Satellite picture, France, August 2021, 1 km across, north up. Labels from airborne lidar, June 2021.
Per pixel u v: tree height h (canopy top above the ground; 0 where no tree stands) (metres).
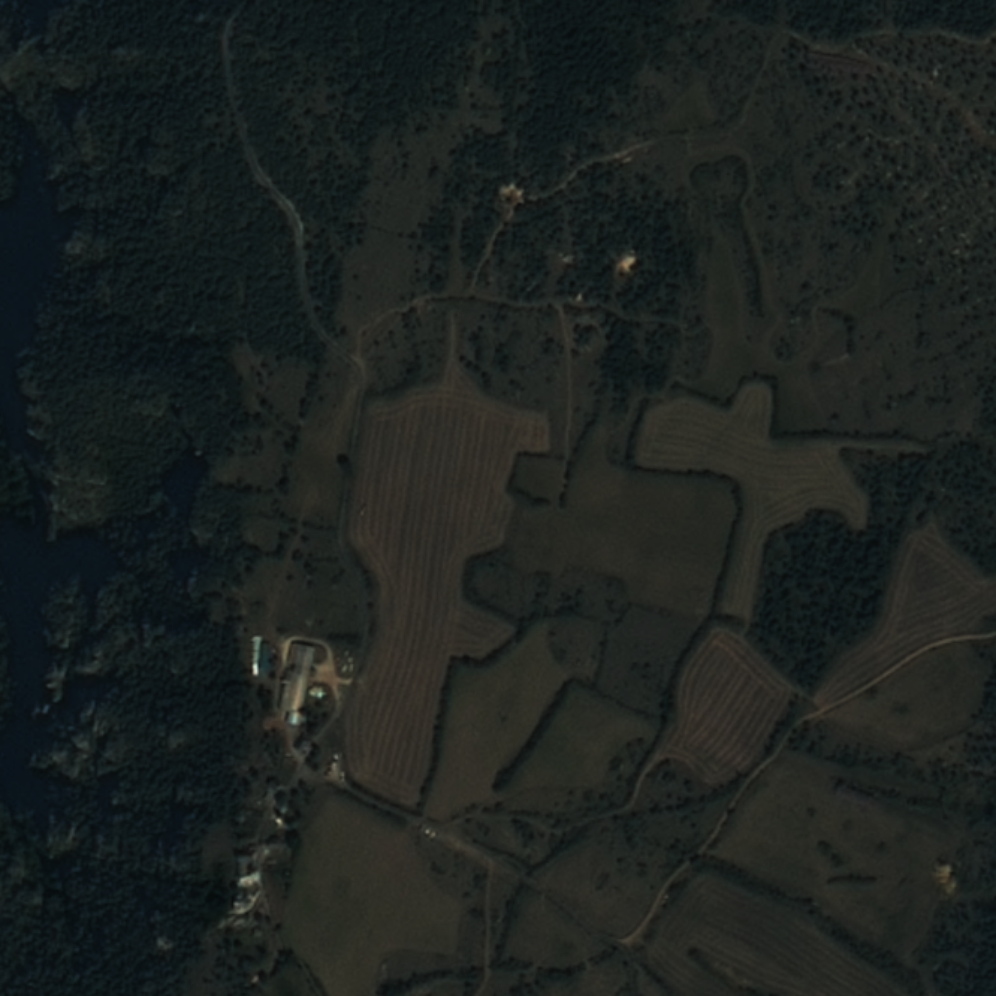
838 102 8
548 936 0
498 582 0
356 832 0
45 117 6
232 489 10
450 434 0
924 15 10
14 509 16
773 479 0
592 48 9
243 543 7
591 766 0
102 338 13
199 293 7
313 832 0
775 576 7
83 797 10
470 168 8
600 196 9
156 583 11
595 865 0
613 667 0
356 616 0
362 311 0
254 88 7
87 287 7
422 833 0
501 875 0
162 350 10
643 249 9
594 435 0
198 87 8
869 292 0
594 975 0
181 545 9
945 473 8
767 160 0
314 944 0
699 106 0
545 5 5
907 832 0
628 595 0
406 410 0
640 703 0
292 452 8
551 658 0
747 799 0
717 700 0
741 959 0
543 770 0
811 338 0
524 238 7
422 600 0
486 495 0
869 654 0
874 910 0
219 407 8
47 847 7
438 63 9
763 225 0
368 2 11
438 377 0
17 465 13
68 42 7
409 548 0
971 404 0
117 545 6
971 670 0
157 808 11
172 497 8
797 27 7
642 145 0
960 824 0
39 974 11
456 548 0
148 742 9
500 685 0
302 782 8
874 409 0
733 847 0
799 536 9
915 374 0
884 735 0
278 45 7
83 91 7
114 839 7
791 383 0
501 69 7
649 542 0
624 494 0
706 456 0
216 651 8
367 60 9
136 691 10
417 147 0
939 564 0
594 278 8
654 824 0
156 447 11
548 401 0
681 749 0
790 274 0
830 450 0
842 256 0
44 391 8
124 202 12
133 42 11
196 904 8
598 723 0
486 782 0
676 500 0
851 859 0
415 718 0
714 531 0
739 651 0
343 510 0
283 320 9
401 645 0
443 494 0
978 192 10
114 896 11
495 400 0
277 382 0
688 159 0
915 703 0
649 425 0
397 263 0
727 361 0
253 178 8
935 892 0
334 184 7
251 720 8
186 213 8
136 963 11
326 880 0
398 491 0
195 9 6
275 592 0
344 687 0
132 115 12
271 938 0
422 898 0
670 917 0
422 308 0
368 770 0
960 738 0
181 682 13
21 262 12
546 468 0
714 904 0
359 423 0
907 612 0
